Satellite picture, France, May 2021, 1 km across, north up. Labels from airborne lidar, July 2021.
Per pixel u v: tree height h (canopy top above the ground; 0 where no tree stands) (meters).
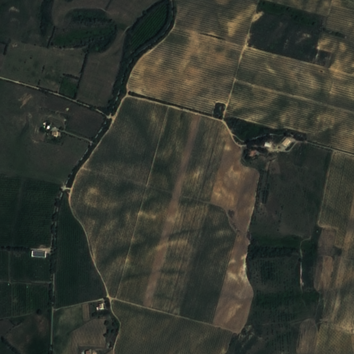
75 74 0
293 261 0
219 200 0
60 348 0
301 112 0
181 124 0
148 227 0
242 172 0
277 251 11
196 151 0
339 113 0
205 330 0
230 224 0
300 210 0
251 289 0
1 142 0
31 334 0
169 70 0
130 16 0
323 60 0
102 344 0
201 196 0
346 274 0
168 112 0
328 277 0
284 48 0
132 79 0
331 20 0
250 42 0
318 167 0
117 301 0
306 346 0
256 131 0
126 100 0
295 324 0
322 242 0
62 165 0
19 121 0
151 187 0
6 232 0
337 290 0
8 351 0
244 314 0
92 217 0
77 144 0
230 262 0
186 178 0
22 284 0
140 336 0
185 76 0
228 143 0
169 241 0
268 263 7
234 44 0
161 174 0
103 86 0
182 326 0
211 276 0
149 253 0
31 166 0
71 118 0
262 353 0
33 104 0
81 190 0
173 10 6
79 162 7
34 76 0
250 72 0
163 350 0
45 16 5
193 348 0
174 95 0
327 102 0
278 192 0
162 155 0
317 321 0
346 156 0
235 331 0
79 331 0
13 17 0
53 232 10
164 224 0
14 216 0
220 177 0
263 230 0
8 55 0
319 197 0
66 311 0
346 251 0
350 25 0
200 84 0
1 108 0
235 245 0
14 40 0
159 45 0
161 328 0
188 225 0
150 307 0
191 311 0
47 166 0
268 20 0
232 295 0
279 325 6
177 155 0
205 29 0
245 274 0
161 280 0
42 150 0
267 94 0
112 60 0
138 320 0
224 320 0
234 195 0
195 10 0
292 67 0
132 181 0
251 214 0
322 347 0
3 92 0
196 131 0
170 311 0
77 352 0
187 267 0
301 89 0
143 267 0
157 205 0
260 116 0
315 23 10
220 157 0
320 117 0
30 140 0
